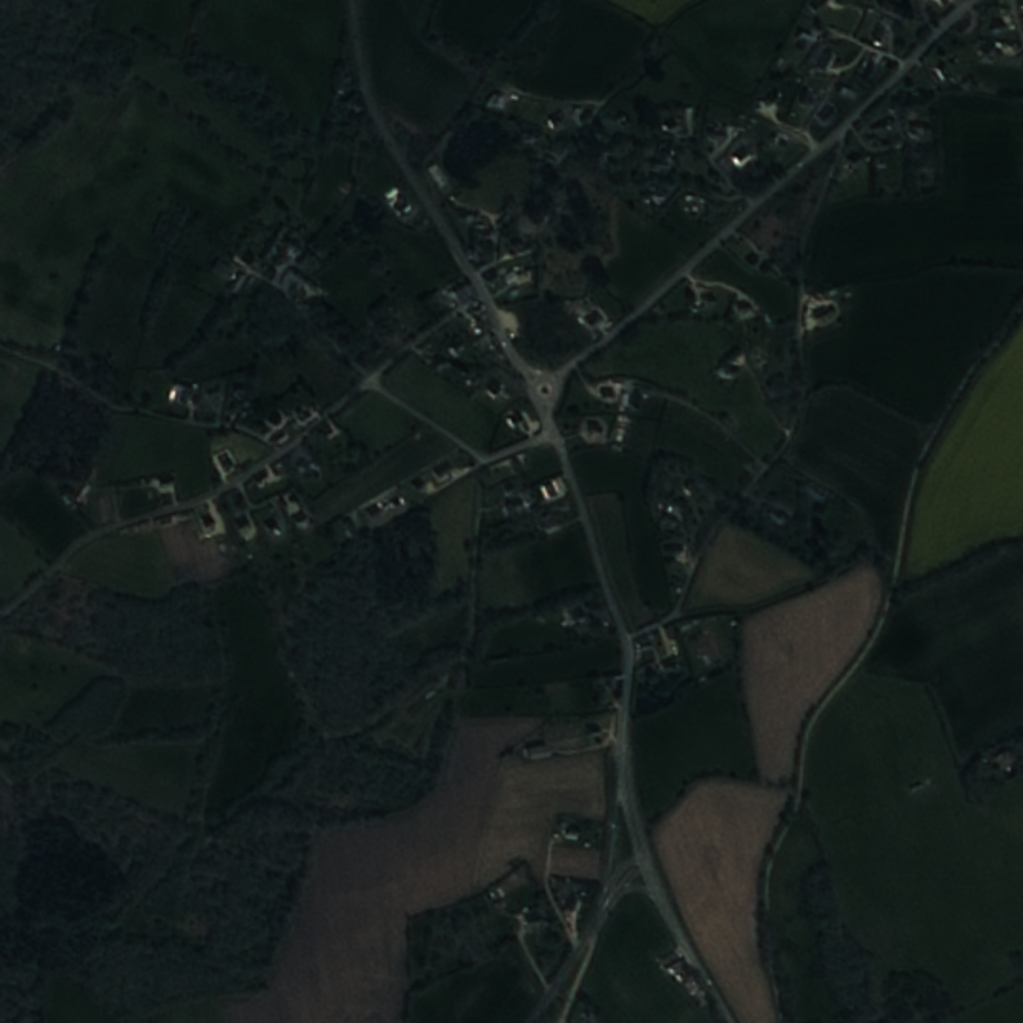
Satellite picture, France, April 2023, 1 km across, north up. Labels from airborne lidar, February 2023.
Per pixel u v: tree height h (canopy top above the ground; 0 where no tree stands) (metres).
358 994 0
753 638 0
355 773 14
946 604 0
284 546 0
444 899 0
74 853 18
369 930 0
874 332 0
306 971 0
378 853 0
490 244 9
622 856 0
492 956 10
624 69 0
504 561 0
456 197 0
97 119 0
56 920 19
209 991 12
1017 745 11
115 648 13
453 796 0
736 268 0
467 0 0
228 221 0
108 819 7
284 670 0
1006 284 0
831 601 0
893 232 0
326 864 0
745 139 0
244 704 0
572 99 0
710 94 0
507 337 0
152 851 15
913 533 0
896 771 0
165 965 13
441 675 8
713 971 0
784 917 0
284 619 5
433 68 0
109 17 0
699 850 0
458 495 0
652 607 8
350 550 7
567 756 0
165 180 0
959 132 0
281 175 7
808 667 0
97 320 0
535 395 0
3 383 0
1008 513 0
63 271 0
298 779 10
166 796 0
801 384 12
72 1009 0
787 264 9
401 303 0
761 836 0
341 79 8
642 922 0
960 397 9
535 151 13
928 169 8
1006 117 0
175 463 0
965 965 0
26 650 0
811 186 8
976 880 0
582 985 0
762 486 0
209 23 0
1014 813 0
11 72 14
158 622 10
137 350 0
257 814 19
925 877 0
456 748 0
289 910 12
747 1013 0
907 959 0
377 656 13
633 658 0
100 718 10
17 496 0
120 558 0
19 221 0
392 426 0
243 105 8
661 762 0
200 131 6
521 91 0
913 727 0
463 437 0
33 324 0
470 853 0
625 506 8
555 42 0
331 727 13
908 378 0
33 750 7
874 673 0
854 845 0
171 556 0
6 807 0
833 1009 0
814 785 0
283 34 0
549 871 0
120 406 6
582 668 0
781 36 0
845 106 0
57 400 16
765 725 0
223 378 6
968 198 0
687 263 0
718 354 0
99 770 0
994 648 0
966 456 0
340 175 0
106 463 0
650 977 0
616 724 0
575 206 20
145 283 0
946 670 0
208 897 10
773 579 0
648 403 0
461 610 7
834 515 0
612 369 0
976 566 9
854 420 0
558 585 0
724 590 0
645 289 0
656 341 0
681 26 0
